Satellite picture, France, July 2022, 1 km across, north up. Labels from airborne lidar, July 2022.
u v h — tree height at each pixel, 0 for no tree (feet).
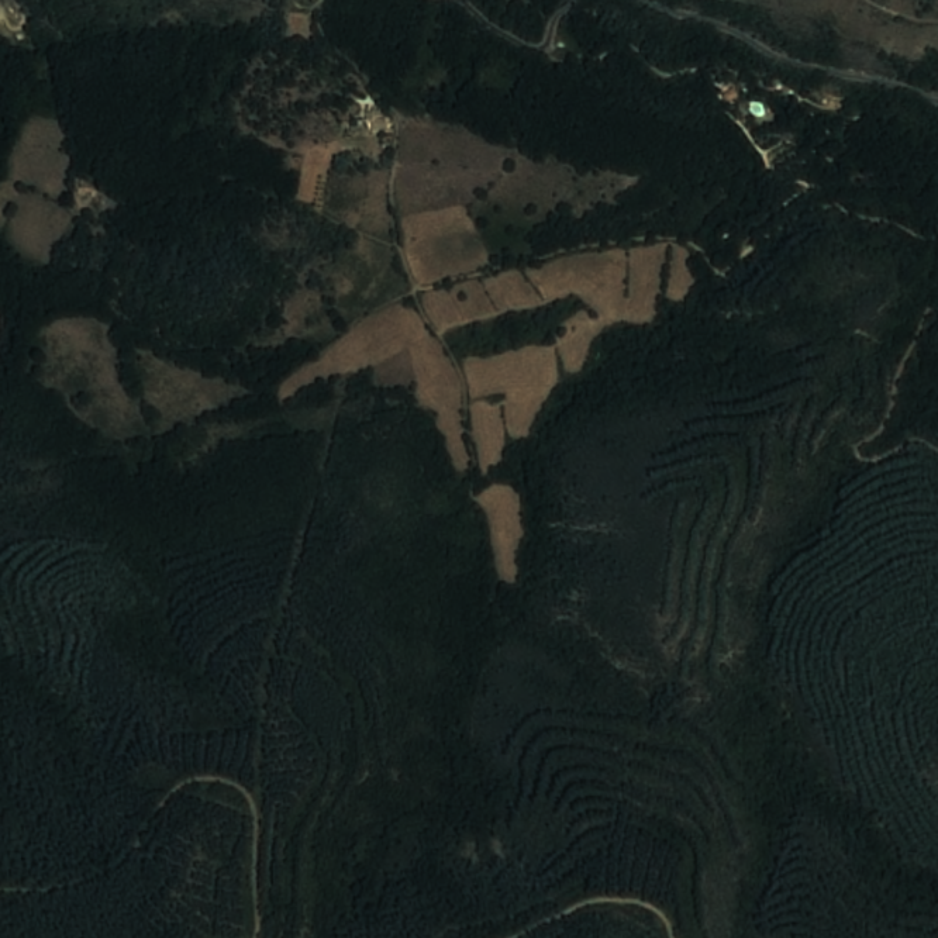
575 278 0
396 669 37
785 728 31
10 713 52
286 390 0
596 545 22
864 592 41
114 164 29
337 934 43
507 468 48
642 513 0
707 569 49
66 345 0
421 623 23
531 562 49
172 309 24
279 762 29
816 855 41
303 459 39
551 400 19
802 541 27
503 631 28
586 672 26
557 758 31
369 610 54
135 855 54
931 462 50
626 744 38
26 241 0
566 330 29
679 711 39
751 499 36
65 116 56
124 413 0
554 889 40
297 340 45
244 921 47
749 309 25
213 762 55
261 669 41
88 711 32
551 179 0
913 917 50
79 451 22
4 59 60
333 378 38
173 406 0
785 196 36
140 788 29
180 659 35
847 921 49
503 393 0
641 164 39
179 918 45
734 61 48
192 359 60
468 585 46
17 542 32
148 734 41
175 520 40
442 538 20
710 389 29
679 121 27
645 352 54
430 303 0
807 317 23
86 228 42
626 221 34
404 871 26
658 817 36
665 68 32
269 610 41
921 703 26
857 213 40
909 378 26
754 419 49
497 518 0
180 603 38
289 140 23
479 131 54
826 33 22
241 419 46
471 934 20
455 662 52
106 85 72
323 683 43
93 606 29
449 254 0
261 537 35
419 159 0
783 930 45
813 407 49
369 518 19
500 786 39
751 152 29
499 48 23
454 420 0
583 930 27
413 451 24
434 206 0
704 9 26
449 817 56
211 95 29
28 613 23
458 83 31
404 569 44
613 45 56
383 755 38
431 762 26
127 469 69
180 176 49
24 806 38
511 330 31
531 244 27
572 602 23
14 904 51
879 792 19
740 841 43
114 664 36
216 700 22
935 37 0
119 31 31
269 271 27
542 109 48
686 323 67
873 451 25
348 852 36
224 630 45
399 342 0
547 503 31
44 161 0
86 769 21
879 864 41
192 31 26
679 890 52
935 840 36
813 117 60
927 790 21
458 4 43
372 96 25
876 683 32
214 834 43
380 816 21
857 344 37
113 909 41
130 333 56
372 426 27
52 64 37
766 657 30
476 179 0
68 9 24
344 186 0
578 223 38
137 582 49
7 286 44
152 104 59
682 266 0
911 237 31
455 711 54
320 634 31
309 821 43
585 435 20
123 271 27
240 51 32
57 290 54
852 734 26
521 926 27
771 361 35
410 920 39
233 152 27
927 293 19
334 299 27
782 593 40
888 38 0
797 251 48
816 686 37
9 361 52
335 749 38
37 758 47
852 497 44
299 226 24
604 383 35
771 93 30
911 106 39
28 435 23
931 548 36
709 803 41
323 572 41
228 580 41
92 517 24
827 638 31
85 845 50
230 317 22
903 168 57
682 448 38
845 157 52
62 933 52
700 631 47
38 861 53
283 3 28
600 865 51
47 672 37
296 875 47
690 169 42
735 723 18
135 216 50
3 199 0
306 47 32
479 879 25
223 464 33
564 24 20
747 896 31
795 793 52
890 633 28
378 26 46
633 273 0
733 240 44
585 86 46
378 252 0
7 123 51
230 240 31
